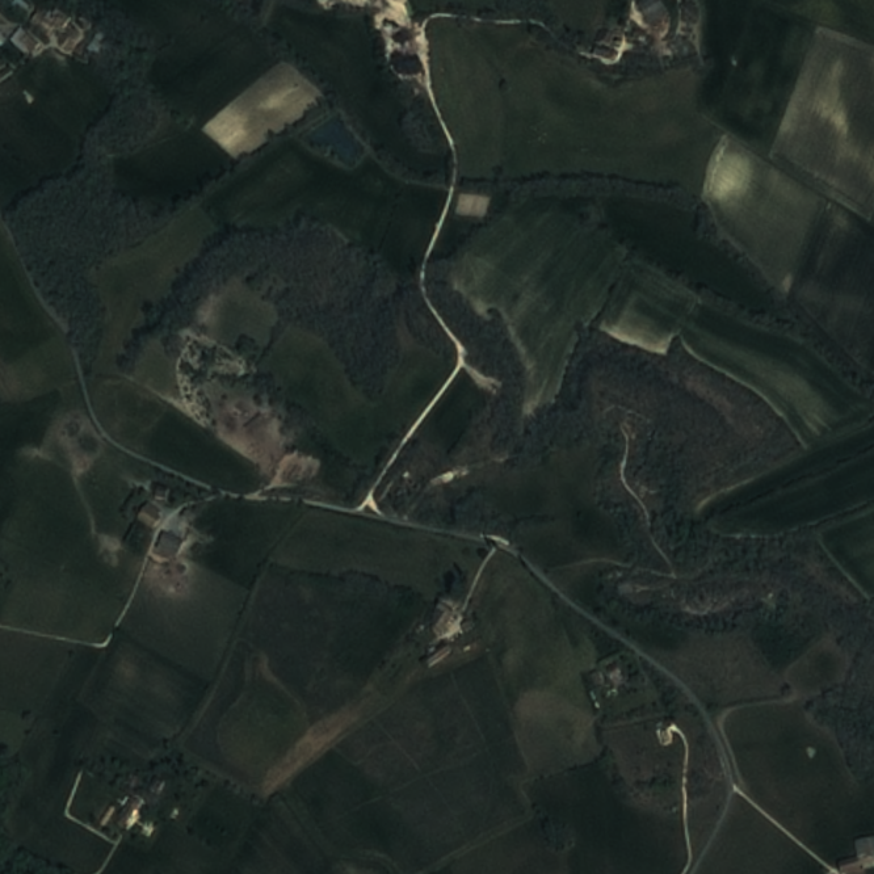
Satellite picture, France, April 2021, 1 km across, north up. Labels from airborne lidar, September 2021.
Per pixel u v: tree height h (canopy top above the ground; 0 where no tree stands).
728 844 0
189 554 0
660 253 0
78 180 17
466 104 0
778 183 0
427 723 0
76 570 0
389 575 0
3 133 0
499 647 0
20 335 0
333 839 0
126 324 0
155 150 0
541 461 10
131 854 0
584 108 0
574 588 0
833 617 14
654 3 0
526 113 0
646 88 0
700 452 14
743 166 0
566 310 0
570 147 0
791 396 0
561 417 21
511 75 0
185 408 0
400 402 0
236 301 0
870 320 0
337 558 0
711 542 12
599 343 8
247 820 0
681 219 0
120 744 0
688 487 20
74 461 0
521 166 0
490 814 0
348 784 0
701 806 0
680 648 0
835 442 0
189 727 0
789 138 0
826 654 0
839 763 0
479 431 10
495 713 0
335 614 0
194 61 0
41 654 0
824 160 0
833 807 0
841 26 0
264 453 0
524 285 0
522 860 0
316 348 0
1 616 0
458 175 10
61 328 0
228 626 0
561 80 0
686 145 0
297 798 0
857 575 0
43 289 17
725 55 0
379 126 0
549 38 19
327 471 0
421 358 0
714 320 0
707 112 0
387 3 0
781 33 0
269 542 0
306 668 0
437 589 0
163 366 0
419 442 9
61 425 0
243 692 0
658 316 0
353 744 0
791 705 0
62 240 16
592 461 0
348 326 19
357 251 12
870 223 0
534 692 0
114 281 0
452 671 0
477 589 0
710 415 11
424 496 11
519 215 0
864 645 15
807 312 0
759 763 0
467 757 0
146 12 0
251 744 0
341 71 0
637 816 0
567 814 0
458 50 0
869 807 0
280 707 0
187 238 0
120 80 22
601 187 18
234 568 0
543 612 0
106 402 0
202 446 0
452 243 0
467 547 0
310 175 0
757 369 0
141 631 0
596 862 0
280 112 0
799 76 0
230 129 0
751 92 0
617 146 0
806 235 0
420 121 10
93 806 0
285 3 17
